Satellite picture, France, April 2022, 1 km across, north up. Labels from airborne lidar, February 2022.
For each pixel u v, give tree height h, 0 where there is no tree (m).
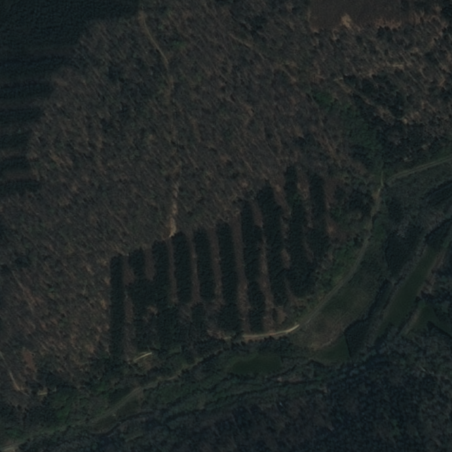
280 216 14
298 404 16
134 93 27
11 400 28
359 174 25
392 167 22
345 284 0
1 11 17
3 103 12
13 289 30
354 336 22
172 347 21
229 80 26
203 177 34
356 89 15
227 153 32
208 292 22
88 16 15
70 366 25
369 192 26
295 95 30
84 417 28
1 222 27
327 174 32
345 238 11
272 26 26
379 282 8
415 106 27
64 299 24
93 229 31
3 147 18
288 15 28
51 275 25
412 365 32
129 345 30
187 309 29
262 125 32
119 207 31
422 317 0
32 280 27
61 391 40
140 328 24
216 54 31
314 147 27
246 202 20
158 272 16
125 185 23
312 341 0
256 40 27
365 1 13
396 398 31
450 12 13
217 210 32
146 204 31
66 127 31
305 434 15
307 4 16
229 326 32
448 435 29
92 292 26
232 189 32
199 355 27
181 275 22
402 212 21
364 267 9
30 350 19
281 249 24
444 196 18
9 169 23
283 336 0
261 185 28
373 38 24
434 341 25
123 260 16
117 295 19
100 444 12
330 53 29
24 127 18
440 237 20
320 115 26
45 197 24
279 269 25
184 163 27
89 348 28
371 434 21
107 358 23
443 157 17
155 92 30
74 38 20
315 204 18
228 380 12
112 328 26
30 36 15
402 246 22
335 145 33
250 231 23
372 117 14
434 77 26
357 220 20
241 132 32
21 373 20
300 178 14
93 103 32
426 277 0
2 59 7
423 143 24
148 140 29
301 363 23
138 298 22
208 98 33
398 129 24
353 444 21
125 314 18
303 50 25
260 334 17
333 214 15
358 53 22
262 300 28
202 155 30
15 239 26
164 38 27
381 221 28
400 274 18
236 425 15
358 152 35
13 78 22
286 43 27
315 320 0
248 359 22
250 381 20
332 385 9
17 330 27
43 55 8
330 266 31
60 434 18
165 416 23
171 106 0
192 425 21
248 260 26
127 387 24
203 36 32
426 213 24
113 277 16
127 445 33
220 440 29
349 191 29
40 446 19
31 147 27
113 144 30
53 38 25
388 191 22
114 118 22
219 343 36
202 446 26
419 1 10
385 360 20
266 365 0
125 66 31
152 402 17
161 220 32
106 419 0
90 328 28
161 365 22
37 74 22
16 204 30
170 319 25
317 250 23
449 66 31
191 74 31
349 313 0
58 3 19
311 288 31
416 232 22
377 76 25
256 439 21
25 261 27
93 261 27
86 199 33
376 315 26
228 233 20
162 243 13
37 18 22
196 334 28
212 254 12
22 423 29
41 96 21
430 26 12
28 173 10
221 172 33
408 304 0
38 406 31
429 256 0
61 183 28
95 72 30
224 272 20
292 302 15
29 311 24
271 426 25
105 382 23
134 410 0
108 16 17
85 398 22
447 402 27
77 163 30
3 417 32
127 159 34
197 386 25
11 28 19
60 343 25
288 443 17
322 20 8
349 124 29
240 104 31
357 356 17
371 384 22
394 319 0
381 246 9
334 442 35
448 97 30
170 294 11
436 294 7
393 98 23
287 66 0
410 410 23
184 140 30
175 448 19
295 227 26
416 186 22
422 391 27
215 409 14
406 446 29
